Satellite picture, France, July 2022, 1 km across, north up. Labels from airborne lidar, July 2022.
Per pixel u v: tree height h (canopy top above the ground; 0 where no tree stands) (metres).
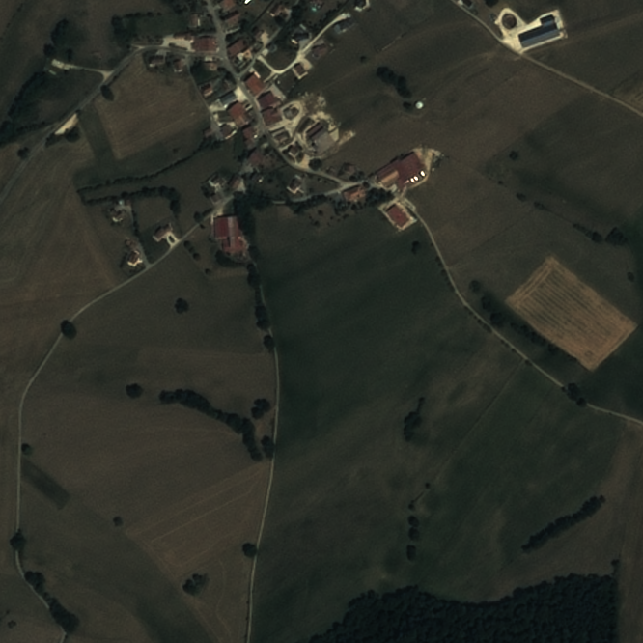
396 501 0
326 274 0
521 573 0
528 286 0
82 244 0
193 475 0
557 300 0
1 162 0
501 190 0
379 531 0
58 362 0
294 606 0
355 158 0
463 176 0
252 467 0
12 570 0
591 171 0
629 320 0
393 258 0
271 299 0
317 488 0
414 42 0
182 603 0
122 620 0
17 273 0
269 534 0
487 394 0
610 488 0
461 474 0
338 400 0
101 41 0
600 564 0
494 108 0
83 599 0
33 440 0
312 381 0
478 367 0
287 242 0
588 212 0
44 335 0
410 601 19
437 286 0
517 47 0
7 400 0
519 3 0
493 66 0
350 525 0
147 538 0
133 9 0
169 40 0
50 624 0
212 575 0
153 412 0
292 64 0
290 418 0
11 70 0
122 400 0
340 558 0
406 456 0
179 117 0
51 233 0
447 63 0
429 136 0
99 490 0
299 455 0
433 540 0
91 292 0
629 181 0
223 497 0
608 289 0
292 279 0
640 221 0
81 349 0
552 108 0
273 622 0
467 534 0
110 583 0
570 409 0
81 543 0
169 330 0
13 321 0
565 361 0
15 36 0
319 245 0
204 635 0
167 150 0
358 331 0
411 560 12
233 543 0
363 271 0
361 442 0
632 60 0
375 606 21
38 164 0
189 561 0
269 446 16
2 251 0
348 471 0
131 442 0
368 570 0
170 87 0
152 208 0
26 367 0
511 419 0
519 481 0
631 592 0
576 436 0
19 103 17
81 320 0
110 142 0
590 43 0
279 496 0
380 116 0
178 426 0
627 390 0
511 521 0
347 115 0
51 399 0
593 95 0
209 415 12
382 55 0
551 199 0
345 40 0
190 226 0
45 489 0
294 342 0
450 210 0
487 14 0
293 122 0
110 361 0
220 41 0
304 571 0
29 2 0
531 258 0
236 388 0
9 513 0
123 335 0
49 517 0
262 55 0
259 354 0
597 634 26
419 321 0
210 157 0
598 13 0
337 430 0
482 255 0
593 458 0
